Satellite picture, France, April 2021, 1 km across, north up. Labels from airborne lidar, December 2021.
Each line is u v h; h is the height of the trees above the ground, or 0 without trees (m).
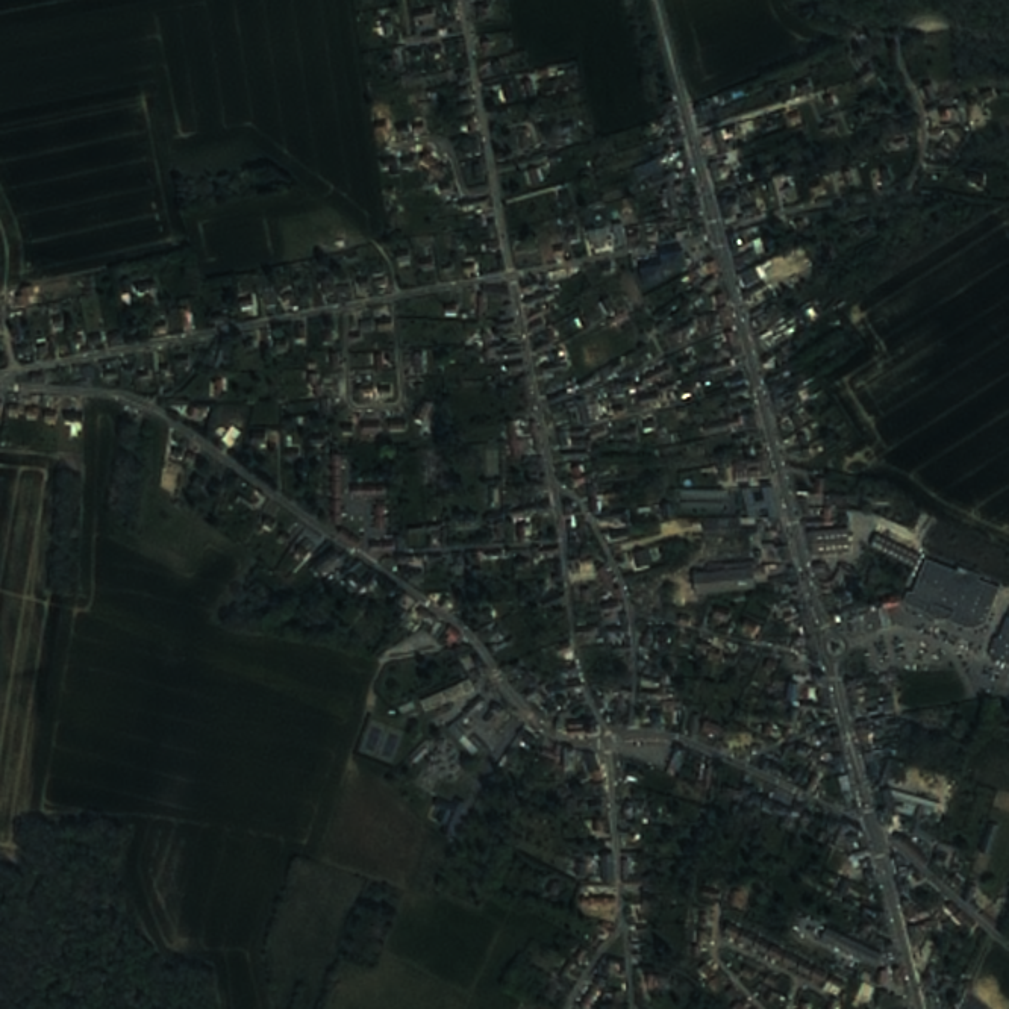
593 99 0
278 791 0
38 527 0
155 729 0
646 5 0
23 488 0
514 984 12
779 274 0
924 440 0
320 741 0
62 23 0
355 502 0
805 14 13
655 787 0
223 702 0
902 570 8
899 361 0
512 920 0
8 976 28
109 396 0
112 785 0
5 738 0
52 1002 24
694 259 0
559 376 7
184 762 0
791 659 0
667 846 8
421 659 13
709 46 0
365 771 0
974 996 0
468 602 17
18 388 0
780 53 0
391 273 0
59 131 0
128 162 0
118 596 0
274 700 0
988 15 17
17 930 29
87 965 23
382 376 0
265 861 0
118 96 0
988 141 23
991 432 0
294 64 0
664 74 8
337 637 22
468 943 0
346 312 0
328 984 7
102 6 0
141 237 0
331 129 0
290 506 0
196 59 0
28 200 0
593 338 0
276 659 0
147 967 24
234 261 0
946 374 0
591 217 0
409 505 8
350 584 0
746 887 11
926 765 13
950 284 0
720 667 0
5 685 0
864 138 13
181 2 0
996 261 0
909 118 16
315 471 16
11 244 0
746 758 0
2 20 0
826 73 11
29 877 22
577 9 0
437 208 0
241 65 0
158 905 0
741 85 5
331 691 0
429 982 0
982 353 0
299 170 0
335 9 0
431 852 0
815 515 0
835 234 7
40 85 0
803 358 9
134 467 22
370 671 0
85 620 0
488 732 0
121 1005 23
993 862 0
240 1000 0
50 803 0
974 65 27
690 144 0
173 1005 29
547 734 0
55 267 0
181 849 0
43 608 0
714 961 0
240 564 0
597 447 9
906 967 0
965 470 0
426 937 0
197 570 0
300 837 0
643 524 16
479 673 9
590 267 0
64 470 17
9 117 0
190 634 0
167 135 0
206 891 0
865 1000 0
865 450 0
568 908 9
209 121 0
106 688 0
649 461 9
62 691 0
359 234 0
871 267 7
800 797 0
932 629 0
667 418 0
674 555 6
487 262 0
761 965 0
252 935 0
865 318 0
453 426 8
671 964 9
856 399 0
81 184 0
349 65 0
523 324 0
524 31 0
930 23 0
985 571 0
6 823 0
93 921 27
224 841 0
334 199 0
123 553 0
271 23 0
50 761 0
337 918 0
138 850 0
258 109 0
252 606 11
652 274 0
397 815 0
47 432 0
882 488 15
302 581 0
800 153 9
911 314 0
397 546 0
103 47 0
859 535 0
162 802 0
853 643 0
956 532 0
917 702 0
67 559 16
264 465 21
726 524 0
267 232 0
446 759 0
